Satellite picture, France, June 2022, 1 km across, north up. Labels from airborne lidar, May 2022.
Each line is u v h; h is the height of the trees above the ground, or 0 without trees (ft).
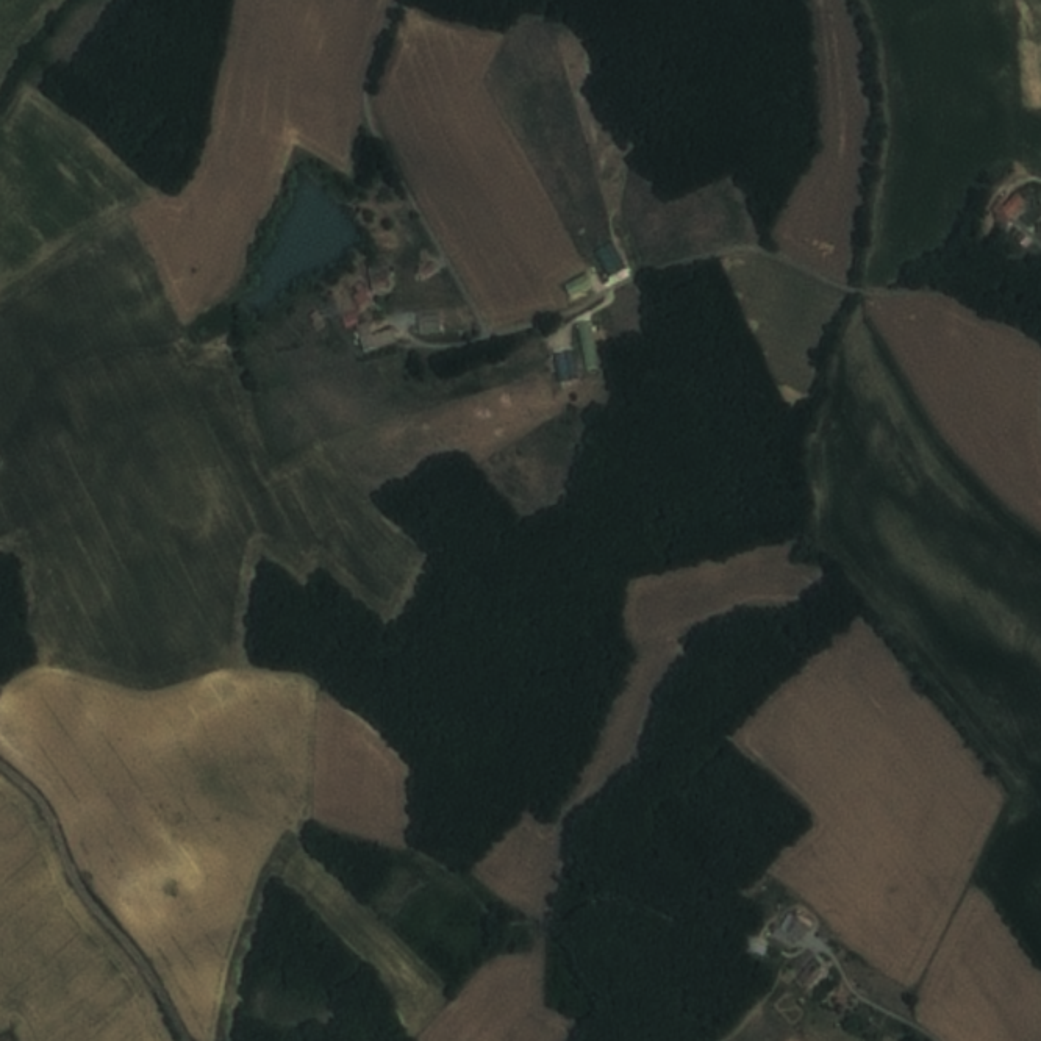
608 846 58
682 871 73
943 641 0
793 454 45
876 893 0
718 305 51
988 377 0
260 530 0
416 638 48
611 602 56
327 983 50
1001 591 0
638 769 58
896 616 0
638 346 60
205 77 42
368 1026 34
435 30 0
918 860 0
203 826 0
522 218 0
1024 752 0
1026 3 0
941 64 0
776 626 71
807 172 44
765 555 0
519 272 0
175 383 0
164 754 0
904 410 0
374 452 0
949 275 57
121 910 0
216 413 0
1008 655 0
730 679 62
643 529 47
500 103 0
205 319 0
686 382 57
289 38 0
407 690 53
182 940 0
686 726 61
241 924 0
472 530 55
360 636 53
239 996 25
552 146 0
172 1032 40
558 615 66
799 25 51
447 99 0
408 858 0
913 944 0
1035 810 0
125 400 0
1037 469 0
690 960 63
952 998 0
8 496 0
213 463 0
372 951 0
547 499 0
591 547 53
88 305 0
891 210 0
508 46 0
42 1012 0
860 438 0
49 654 0
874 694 0
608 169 0
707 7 52
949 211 0
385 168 73
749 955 45
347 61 0
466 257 0
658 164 37
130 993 0
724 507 61
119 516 0
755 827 60
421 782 49
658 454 50
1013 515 0
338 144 0
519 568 51
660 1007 49
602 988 64
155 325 0
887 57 0
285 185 34
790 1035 0
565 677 64
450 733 47
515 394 0
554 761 74
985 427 0
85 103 38
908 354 0
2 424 0
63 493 0
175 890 0
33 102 0
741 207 0
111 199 0
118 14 39
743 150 50
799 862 0
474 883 0
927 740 0
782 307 0
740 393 58
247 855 0
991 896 0
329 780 0
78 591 0
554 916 51
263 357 0
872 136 52
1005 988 0
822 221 0
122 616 0
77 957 0
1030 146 0
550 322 57
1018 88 0
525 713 68
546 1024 0
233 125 0
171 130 41
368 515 0
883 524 0
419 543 40
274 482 0
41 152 0
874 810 0
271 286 0
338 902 0
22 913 0
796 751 0
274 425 0
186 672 0
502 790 77
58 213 0
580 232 0
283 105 0
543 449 0
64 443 0
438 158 0
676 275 37
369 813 0
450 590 49
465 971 18
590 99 37
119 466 0
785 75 48
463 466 57
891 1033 0
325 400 0
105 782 0
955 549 0
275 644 52
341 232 0
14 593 60
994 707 0
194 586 0
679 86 62
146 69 56
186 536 0
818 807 0
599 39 49
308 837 51
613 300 0
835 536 0
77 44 0
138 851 0
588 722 73
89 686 0
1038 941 0
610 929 51
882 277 0
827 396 41
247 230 0
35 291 0
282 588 59
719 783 53
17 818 0
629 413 53
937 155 0
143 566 0
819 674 0
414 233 0
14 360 0
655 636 0
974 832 0
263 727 0
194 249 0
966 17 0
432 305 0
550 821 64
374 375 0
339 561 0
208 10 27
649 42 44
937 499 0
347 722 0
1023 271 62
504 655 62
